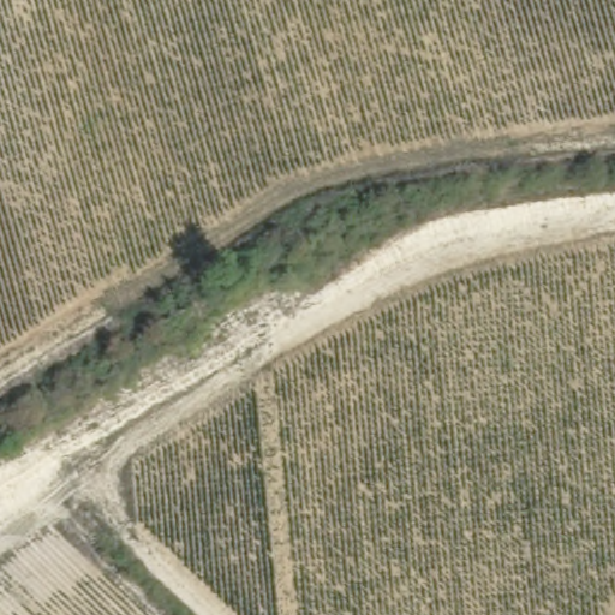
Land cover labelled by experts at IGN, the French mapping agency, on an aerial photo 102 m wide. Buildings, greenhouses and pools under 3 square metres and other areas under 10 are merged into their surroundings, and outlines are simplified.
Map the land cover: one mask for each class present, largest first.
<instances>
[{"label":"vineyard","instance_id":"1","mask_svg":"<svg viewBox=\"0 0 615 615\"><path fill-rule=\"evenodd\" d=\"M615 125V0H0V394L7 387L19 384L24 375H29L31 370L46 368L70 353H77V348L96 334L98 327H118V310L123 305L135 303L147 288L161 283L166 276H173L183 269L190 283L204 279V274L219 262L221 255L216 247L228 245L235 235L252 228L267 214L286 204L281 199V187L286 183L310 180L320 173L341 166H353L368 156L416 151L425 147H447L464 139L471 142L490 137H524L533 132H565L569 127L593 132ZM118 490L125 502L127 519L142 521L144 529L151 536H156L163 545L197 579H202L211 589V593H216V598H221L235 615H615V231H598L586 238H569L562 243L524 247L517 252H495L490 257H480L456 269L440 271L435 276L420 279L411 286H401L387 295L375 298L368 308L341 317L339 322L315 332L312 336L279 351L267 360L262 368H255L245 380L226 384L221 396L207 401L202 408H195L190 416L173 423L163 435L154 437L149 444L132 452L120 466ZM0 615H166L147 598L142 586L118 574L108 581L91 565V560H86L58 533L55 521L46 524L36 514L26 512L0 529Z\"/></svg>","mask_w":615,"mask_h":615},{"label":"brushwood","instance_id":"2","mask_svg":"<svg viewBox=\"0 0 615 615\"><path fill-rule=\"evenodd\" d=\"M615 192V154L605 156L596 149H586L577 151L572 159H565L560 163H533L531 154H514L500 159L468 156L408 171H387L377 175L346 180L339 185H324L286 204L267 214L252 228L235 235L228 245L216 247L221 255L250 250L247 271L250 279H255V283H250L247 288H238L235 293L211 295L204 288V279L190 283L183 269L173 276H166L161 283L147 288L135 303L123 305L118 310V327H98L96 334L77 348V353H70L46 368L31 370L29 375H24L19 384L7 387L0 394V464L17 459L36 440L46 437L53 425H70L82 411L91 408L98 399L118 401L120 389H135L142 368L154 365L175 346L199 344L197 336L209 332L211 324L226 312L250 305L269 291H303L308 295L339 281L346 271H351L353 264L365 262L372 250H380L387 240L406 235L428 221L456 216L464 211L504 209L526 202ZM94 553L106 557L118 574L142 586L147 598L166 615H195L175 593H171V589H166L144 567V562L132 550L120 541V536L108 524L96 526Z\"/></svg>","mask_w":615,"mask_h":615},{"label":"herbaceous vegetation","instance_id":"3","mask_svg":"<svg viewBox=\"0 0 615 615\"><path fill-rule=\"evenodd\" d=\"M586 149H596L605 156L615 154V125L593 132L569 127L565 132H533L524 137H490L471 142L464 139L447 147H425L416 151L368 156L353 166H341L320 173L310 180L286 183L281 187V199L286 204L324 185H339L346 180L377 175L387 171H408L468 156L500 159L514 154H531L533 163H560L565 159H572L577 151ZM308 295L303 291H269L250 305L226 312L211 324L209 332L197 336L199 344L175 346L154 365L142 368L135 389H120L118 401L98 399L91 408L82 411L70 425H53L46 437L36 440L22 454L29 464L43 461L48 454L60 464L58 473L29 502L26 512L36 514L46 524L55 521L58 533L86 560H91V565L108 581L118 574L106 557L94 553L96 526L108 524L120 536V541L132 550L139 543L149 548L151 555H156L163 545L156 536H151L144 529L142 521L127 519L125 502L118 490L120 466L132 452L149 444L154 437L163 435L173 423L190 416L195 408H202L207 401L221 396L226 384L245 380L255 368H262L267 360L262 356V348L269 339L267 317L276 310H281V315L288 317L298 310H308Z\"/></svg>","mask_w":615,"mask_h":615},{"label":"pervious surface","instance_id":"4","mask_svg":"<svg viewBox=\"0 0 615 615\"><path fill-rule=\"evenodd\" d=\"M598 231H615V192L526 202L504 209L464 211L456 216L428 221L406 235L387 240L380 250H372L365 262L353 264L351 271H346L339 281L308 295V310H298L288 317L281 315V310H276L267 317L269 339L262 348V356L267 360L279 351L312 336L315 332L339 322L341 317L368 308L375 298L387 295L401 286H411L420 279L435 276L440 271L456 269L480 257H490L495 252H517L524 247L562 243L569 238H586ZM60 464L48 454L43 461L29 464L22 454L17 459L0 464V529L26 512L29 502L58 473ZM144 562V567L166 589H171V593H175L195 615H235L221 598H216V593H211V589L202 579H197L163 545L156 555H151L149 548L139 543L132 550Z\"/></svg>","mask_w":615,"mask_h":615},{"label":"deciduous trees","instance_id":"5","mask_svg":"<svg viewBox=\"0 0 615 615\"><path fill-rule=\"evenodd\" d=\"M250 250L221 255L219 262L204 274V288L211 295L235 293L238 288H247L250 283H255V279H250L247 271Z\"/></svg>","mask_w":615,"mask_h":615}]
</instances>
